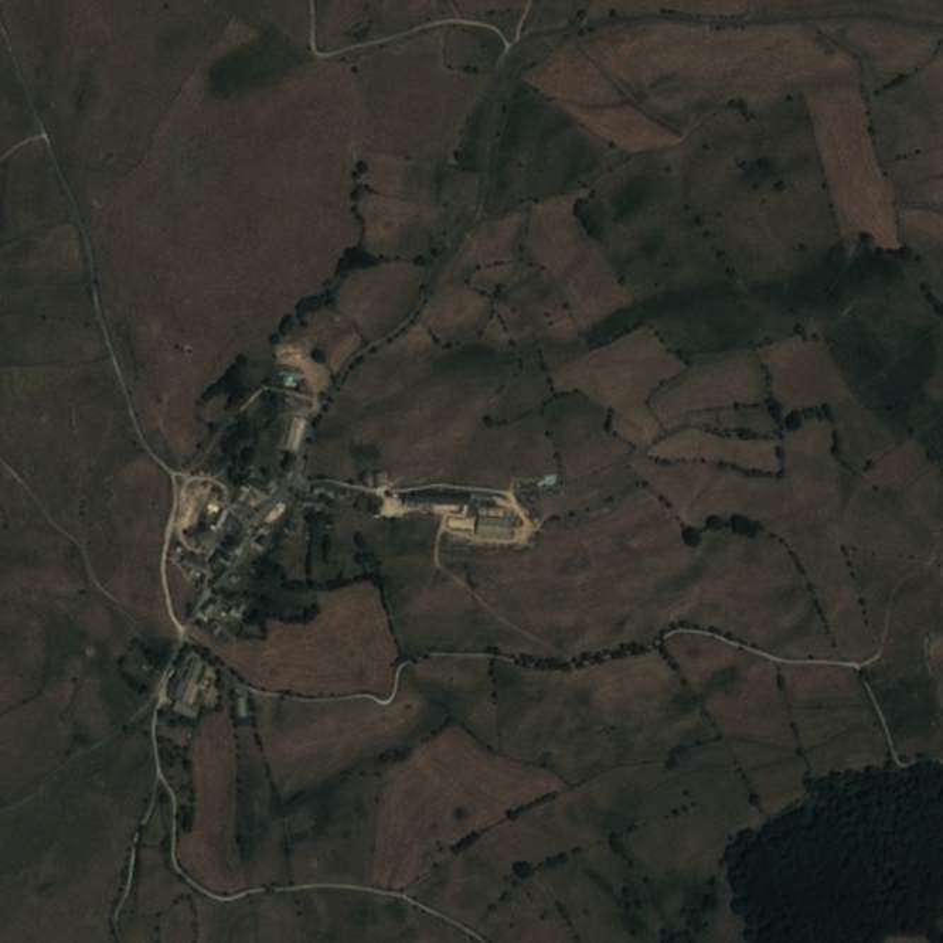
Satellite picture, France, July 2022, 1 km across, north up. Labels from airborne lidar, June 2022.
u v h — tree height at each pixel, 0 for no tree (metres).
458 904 0
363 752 0
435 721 0
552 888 0
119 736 0
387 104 0
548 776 0
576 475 0
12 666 0
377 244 0
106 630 0
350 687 0
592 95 0
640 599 0
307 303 12
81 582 0
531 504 0
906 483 0
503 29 0
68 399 0
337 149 0
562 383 0
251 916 0
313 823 0
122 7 0
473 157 0
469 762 0
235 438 8
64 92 0
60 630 0
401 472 0
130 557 0
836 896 12
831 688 0
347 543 0
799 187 0
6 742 0
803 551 0
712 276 0
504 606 0
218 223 0
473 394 0
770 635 0
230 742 0
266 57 0
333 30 0
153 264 0
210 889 0
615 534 0
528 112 0
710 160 0
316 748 0
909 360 0
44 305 0
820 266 0
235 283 0
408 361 0
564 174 0
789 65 0
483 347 0
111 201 0
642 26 0
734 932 0
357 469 0
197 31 0
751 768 0
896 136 0
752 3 0
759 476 9
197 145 0
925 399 0
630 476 0
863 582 0
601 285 0
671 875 0
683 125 0
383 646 0
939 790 9
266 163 0
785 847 20
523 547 0
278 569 14
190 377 0
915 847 20
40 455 0
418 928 0
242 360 11
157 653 7
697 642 0
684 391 0
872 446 0
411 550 0
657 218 0
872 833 14
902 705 0
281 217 0
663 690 0
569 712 0
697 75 0
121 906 0
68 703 0
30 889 0
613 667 0
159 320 0
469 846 10
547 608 0
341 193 0
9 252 0
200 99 0
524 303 0
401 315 0
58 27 0
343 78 0
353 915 0
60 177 0
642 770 0
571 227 0
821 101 0
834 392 0
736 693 0
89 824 0
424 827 0
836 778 15
